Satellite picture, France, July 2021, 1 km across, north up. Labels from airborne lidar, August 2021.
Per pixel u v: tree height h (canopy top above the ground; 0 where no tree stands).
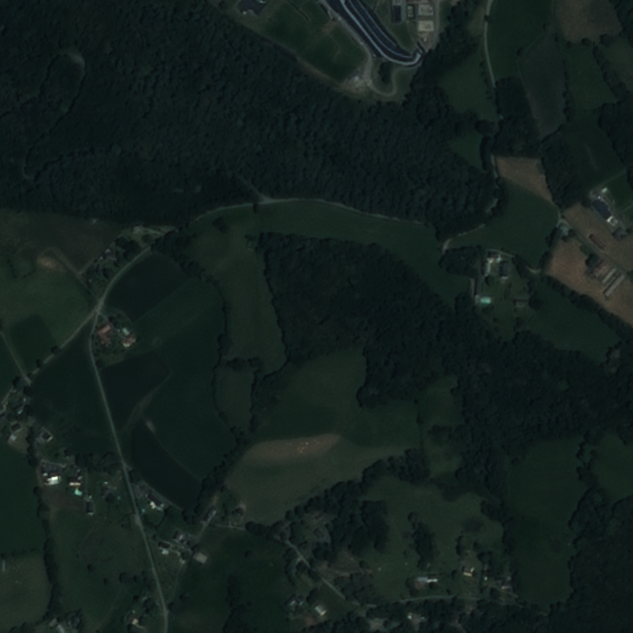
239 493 0
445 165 25
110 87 12
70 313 0
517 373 23
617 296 0
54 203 13
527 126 23
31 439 14
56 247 0
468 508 0
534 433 14
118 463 13
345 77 0
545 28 9
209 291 0
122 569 0
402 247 0
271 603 0
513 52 0
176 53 22
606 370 17
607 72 15
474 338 27
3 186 20
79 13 20
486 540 0
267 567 0
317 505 18
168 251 22
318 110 25
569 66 8
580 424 22
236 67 28
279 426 0
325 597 0
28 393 19
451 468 0
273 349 0
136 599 8
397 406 0
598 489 17
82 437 0
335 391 0
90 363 0
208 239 0
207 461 0
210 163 26
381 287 23
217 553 0
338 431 0
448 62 24
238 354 0
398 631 19
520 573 12
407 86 0
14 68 18
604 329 0
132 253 17
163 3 22
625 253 0
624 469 0
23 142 17
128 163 23
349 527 21
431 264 0
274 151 23
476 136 0
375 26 0
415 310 27
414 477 18
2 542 0
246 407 0
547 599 0
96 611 0
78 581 0
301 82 21
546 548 0
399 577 0
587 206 12
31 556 0
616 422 16
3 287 0
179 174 20
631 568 14
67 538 0
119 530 0
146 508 0
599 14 0
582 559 14
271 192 17
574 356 20
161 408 0
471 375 19
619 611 15
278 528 16
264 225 0
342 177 25
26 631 14
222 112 22
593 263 18
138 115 25
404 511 0
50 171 27
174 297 0
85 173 23
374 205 27
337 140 28
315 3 0
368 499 0
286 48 0
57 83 16
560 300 0
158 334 0
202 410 0
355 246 20
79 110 14
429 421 0
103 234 0
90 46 18
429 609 25
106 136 15
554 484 0
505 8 0
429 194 22
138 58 17
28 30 24
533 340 20
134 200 15
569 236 8
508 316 0
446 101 21
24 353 0
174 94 19
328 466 0
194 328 0
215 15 21
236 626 11
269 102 27
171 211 13
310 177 27
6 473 0
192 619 0
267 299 0
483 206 25
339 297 17
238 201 25
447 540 0
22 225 0
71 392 0
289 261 21
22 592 0
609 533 25
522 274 12
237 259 0
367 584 20
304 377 0
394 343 28
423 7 0
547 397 20
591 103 0
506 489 21
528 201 0
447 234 20
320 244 22
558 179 19
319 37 0
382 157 24
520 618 22
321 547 15
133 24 22
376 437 0
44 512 14
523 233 0
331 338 22
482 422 23
